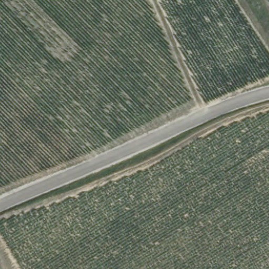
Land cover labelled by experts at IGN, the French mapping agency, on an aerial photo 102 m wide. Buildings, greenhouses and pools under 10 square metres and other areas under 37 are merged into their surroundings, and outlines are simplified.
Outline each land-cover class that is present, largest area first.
<instances>
[{"label":"vineyard","instance_id":"1","mask_svg":"<svg viewBox=\"0 0 269 269\"><path fill-rule=\"evenodd\" d=\"M269 85V53L234 0H0V195L49 173L79 164L87 160L85 154L90 151L96 150L97 153H101L141 136L149 130L187 115L190 109L194 112H208L211 106L221 102L220 97L228 92L241 88L244 92ZM0 269H269V104L246 109L214 122L191 133L156 156L75 190L50 196L18 210L9 211L8 208L0 211Z\"/></svg>","mask_w":269,"mask_h":269},{"label":"impervious surface","instance_id":"2","mask_svg":"<svg viewBox=\"0 0 269 269\"><path fill-rule=\"evenodd\" d=\"M221 102L211 106L208 112H194L190 109L187 115L149 130L141 136L101 153H97L96 150L90 151L85 154L87 160L79 164L49 173L0 195V211L8 208L128 160L222 113L269 100V85L244 92L241 88L228 92L220 97Z\"/></svg>","mask_w":269,"mask_h":269},{"label":"herbaceous vegetation","instance_id":"3","mask_svg":"<svg viewBox=\"0 0 269 269\"><path fill-rule=\"evenodd\" d=\"M269 53V0H234ZM269 104V100L222 113L128 160L8 208L9 211L18 210L50 196L75 190L156 156L191 133L214 122L246 109Z\"/></svg>","mask_w":269,"mask_h":269}]
</instances>
